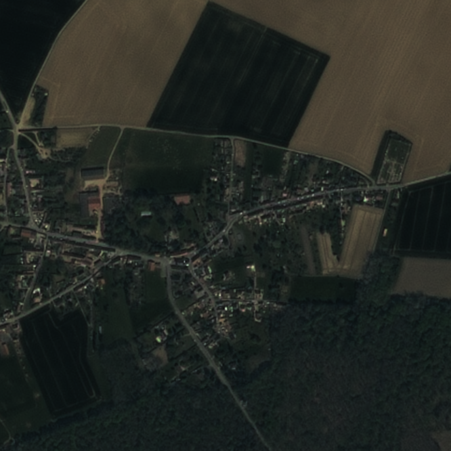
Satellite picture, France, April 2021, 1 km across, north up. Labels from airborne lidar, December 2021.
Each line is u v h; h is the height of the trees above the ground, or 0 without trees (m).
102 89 0
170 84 0
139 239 26
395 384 22
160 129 0
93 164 0
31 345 0
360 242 0
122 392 29
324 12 0
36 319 0
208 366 0
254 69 0
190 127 0
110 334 0
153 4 0
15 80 0
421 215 0
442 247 0
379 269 14
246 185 0
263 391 18
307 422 23
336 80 0
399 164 0
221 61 0
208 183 6
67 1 0
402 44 0
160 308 0
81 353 0
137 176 0
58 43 0
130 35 0
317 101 0
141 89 0
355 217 0
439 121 0
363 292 20
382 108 0
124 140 0
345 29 0
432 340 23
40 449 22
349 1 0
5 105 0
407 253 0
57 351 0
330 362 22
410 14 0
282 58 0
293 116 0
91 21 0
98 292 7
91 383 0
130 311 0
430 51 0
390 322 18
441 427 25
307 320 23
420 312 19
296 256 6
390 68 0
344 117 0
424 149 0
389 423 26
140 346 13
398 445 22
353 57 0
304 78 0
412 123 0
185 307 0
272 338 16
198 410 19
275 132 0
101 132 0
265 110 0
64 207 8
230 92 0
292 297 0
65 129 0
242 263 0
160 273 0
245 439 22
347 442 24
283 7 0
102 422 20
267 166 0
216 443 16
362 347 22
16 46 0
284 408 27
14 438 0
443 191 0
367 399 24
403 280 0
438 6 0
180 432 17
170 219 0
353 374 26
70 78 0
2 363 0
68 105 0
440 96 0
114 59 0
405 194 0
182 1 0
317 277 0
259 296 0
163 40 0
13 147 0
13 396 0
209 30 0
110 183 0
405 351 22
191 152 0
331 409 25
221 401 16
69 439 24
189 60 0
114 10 0
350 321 24
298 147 0
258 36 0
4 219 0
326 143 0
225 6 0
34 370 0
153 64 0
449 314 21
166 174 0
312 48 0
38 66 0
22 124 0
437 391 24
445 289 0
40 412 0
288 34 0
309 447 26
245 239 0
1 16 0
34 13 0
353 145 0
